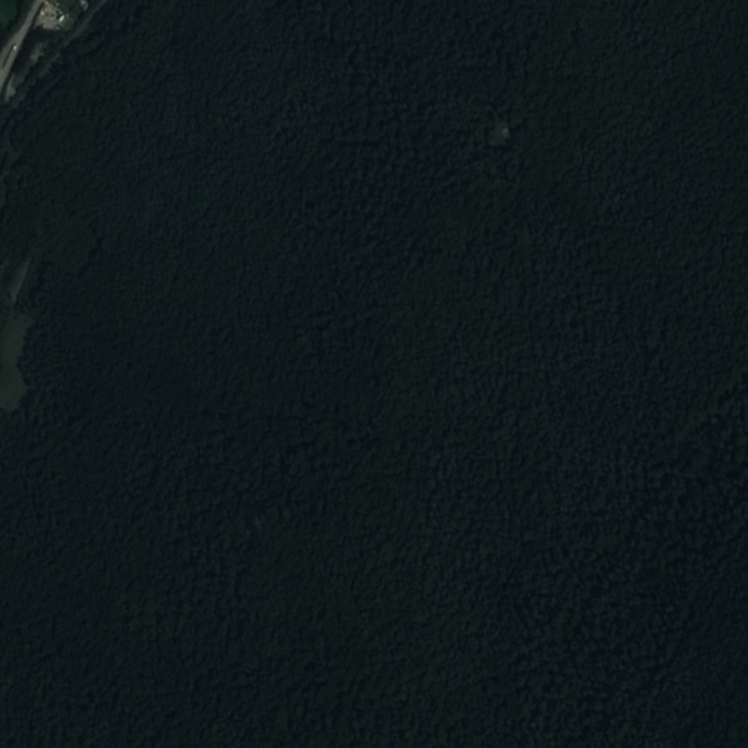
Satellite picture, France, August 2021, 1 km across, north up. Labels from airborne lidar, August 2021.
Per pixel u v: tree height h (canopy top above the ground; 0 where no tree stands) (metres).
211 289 12
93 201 14
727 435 13
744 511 23
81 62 21
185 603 25
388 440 23
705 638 17
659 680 17
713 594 15
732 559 19
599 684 10
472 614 15
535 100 24
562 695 21
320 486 23
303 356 20
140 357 18
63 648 22
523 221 18
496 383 16
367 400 18
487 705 19
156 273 14
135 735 24
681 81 24
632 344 23
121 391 17
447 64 20
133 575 19
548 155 20
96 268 16
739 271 24
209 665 22
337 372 19
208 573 10
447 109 26
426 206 19
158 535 21
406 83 22
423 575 9
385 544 18
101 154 13
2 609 17
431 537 12
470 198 28
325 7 16
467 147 34
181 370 16
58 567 17
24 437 13
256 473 24
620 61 16
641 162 18
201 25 14
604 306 17
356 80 19
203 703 21
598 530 21
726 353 24
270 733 25
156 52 10
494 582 18
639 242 21
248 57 15
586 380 20
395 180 22
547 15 22
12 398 0
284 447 18
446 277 19
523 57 22
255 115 16
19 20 10
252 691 28
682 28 17
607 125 18
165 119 16
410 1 21
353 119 23
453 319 16
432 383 20
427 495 15
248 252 15
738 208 25
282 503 25
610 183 14
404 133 18
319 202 20
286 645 26
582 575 22
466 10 15
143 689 18
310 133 17
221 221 11
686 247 24
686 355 24
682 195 22
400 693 20
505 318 14
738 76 17
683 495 9
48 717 19
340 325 21
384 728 23
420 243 29
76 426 23
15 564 13
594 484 21
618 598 15
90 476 17
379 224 15
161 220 11
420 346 16
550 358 16
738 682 17
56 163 13
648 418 20
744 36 20
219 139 15
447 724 22
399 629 15
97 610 16
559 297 21
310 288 19
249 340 18
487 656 14
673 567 6
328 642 28
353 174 19
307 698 28
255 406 17
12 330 0
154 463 16
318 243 21
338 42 24
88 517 13
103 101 12
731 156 21
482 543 18
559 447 17
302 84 17
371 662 20
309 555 18
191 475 21
